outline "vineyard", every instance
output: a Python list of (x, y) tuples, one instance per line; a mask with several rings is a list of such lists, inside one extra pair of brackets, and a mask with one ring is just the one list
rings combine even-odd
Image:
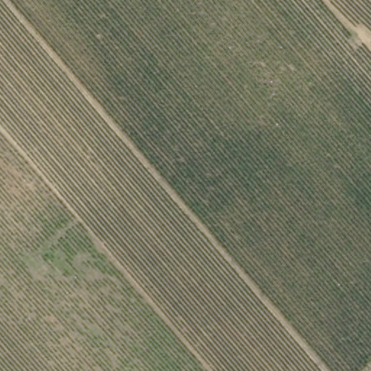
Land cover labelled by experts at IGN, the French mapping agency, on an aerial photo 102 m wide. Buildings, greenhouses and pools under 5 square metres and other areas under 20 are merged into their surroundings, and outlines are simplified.
[(371, 0), (0, 0), (0, 371), (371, 371)]

